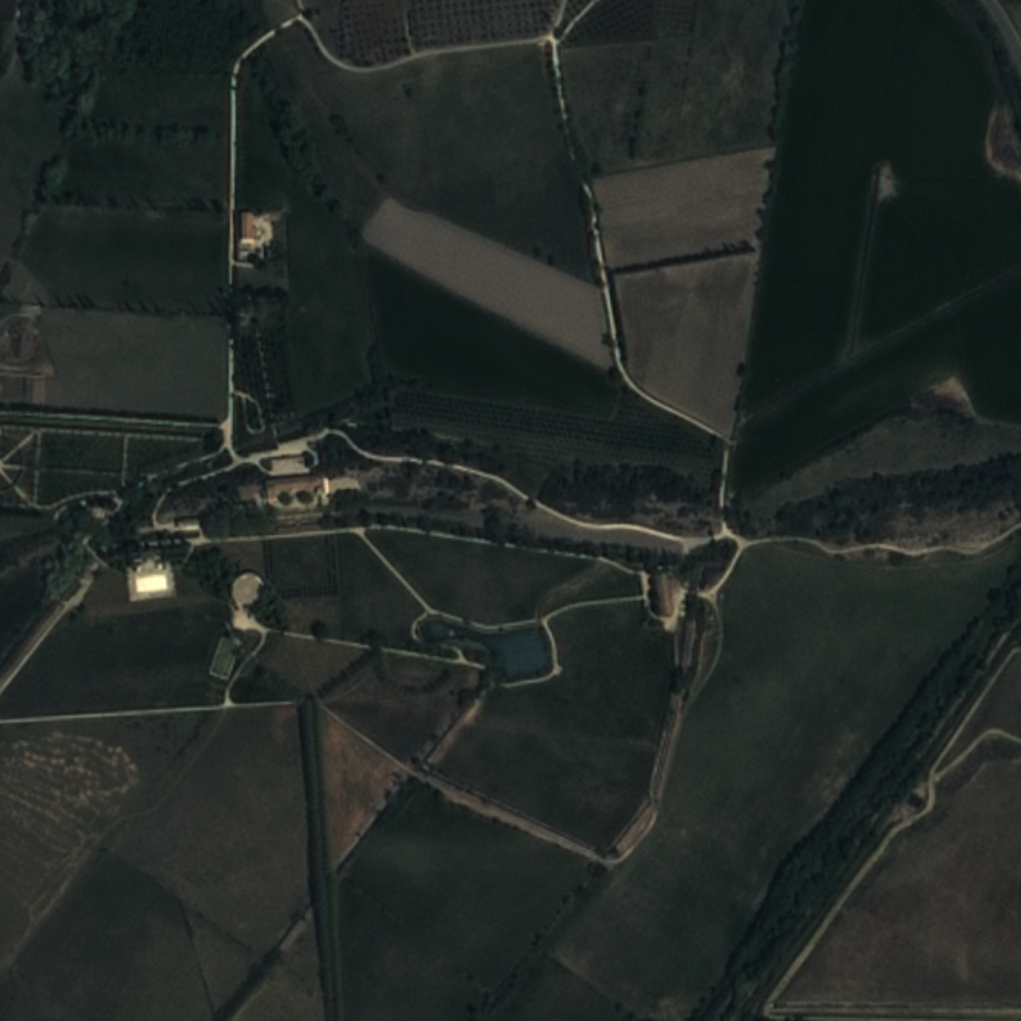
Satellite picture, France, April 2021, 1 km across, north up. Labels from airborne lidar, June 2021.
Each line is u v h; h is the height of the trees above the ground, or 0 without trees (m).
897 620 0
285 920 0
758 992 6
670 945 0
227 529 25
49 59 21
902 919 0
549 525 0
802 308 0
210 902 0
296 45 0
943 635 0
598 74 0
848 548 0
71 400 0
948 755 0
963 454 0
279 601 12
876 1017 0
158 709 0
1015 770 0
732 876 0
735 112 0
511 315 0
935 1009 0
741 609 0
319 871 19
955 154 0
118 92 0
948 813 0
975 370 0
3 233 0
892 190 0
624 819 0
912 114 0
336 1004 14
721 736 0
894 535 0
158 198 0
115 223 0
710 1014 7
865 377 0
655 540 0
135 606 0
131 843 0
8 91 0
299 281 0
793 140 0
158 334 0
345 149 0
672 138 0
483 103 0
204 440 9
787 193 0
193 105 0
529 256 0
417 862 0
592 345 0
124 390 0
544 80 0
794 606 0
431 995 0
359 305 0
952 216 0
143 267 0
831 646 0
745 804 0
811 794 0
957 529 0
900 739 12
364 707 0
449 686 14
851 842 13
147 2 12
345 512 12
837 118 0
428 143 0
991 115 0
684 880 0
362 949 0
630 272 9
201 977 0
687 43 0
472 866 0
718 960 0
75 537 12
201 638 0
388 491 0
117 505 9
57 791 0
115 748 0
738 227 0
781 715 0
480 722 0
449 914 0
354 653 0
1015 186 0
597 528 0
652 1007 0
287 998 0
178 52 16
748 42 0
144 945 0
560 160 0
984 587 0
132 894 0
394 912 0
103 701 0
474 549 0
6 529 0
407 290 0
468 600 0
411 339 0
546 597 0
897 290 0
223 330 0
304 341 0
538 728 0
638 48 0
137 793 0
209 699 0
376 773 0
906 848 0
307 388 0
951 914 0
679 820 0
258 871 0
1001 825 0
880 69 0
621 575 0
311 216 0
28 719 0
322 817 16
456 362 0
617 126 0
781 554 0
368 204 0
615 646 0
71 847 0
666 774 0
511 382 0
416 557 0
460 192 0
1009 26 0
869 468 0
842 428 0
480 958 0
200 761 0
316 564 0
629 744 0
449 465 8
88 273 0
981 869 0
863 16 0
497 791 0
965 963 0
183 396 0
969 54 0
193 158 0
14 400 0
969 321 0
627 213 0
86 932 0
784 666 0
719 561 6
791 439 0
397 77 0
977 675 8
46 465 10
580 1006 0
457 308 0
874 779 13
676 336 0
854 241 0
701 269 0
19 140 0
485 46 0
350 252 0
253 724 0
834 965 0
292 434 6
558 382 0
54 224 0
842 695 0
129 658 0
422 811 0
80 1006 0
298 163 19
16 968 0
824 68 0
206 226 0
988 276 0
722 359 0
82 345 0
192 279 0
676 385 0
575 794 0
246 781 0
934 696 13
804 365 0
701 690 0
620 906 0
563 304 0
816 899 20
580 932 0
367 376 0
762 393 0
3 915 0
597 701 0
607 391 0
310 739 18
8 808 0
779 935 12
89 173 0
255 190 0
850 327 0
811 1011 0
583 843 0
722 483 9
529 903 0
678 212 0
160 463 13
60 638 0
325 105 0
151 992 0
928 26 0
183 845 0
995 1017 0
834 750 0
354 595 0
